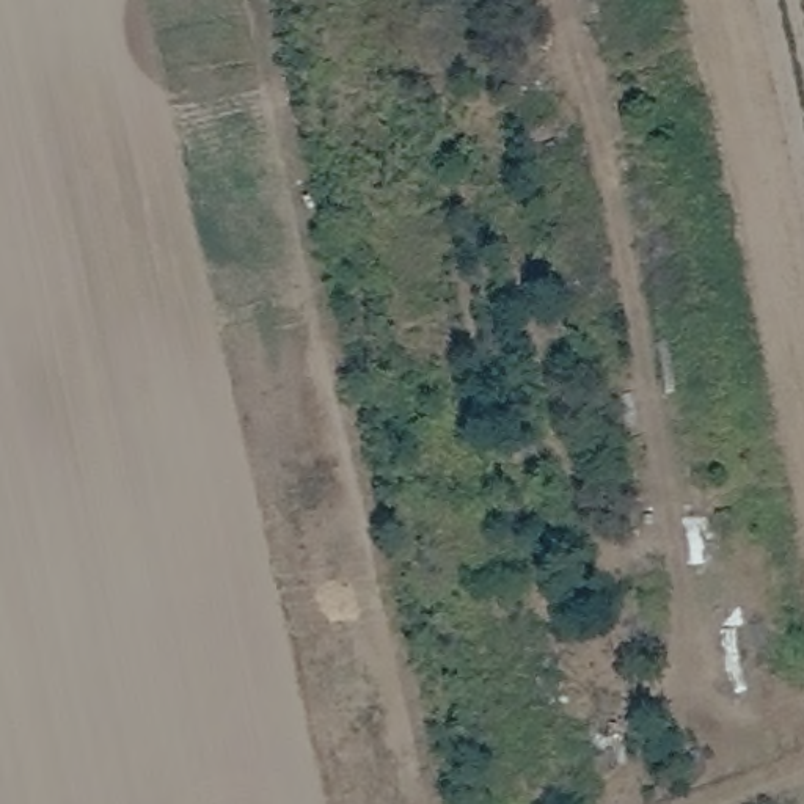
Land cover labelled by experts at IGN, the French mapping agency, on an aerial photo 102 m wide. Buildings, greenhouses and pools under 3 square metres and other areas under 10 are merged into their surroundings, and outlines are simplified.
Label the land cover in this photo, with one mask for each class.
<instances>
[{"label":"agricultural land","instance_id":"1","mask_svg":"<svg viewBox=\"0 0 804 804\"><path fill-rule=\"evenodd\" d=\"M276 38L270 0H0V804H443L437 791V776L443 763L427 744V719L418 675L405 663V638L393 628V609L383 603L380 575H386V559L377 553L371 540V468L361 462L358 452L361 437L355 411L345 408L336 396V367L342 364V352L336 349V317L330 311V295L320 283V267L308 254V220L314 214V198L302 188L308 173L298 151L295 116L289 107L283 69L273 63ZM688 19L691 60L710 97L716 122L722 188L735 207V239L744 254V283L757 317L763 367L776 411V443L785 452V468L795 493L798 553L804 556V122L776 0H682Z\"/></svg>","mask_w":804,"mask_h":804},{"label":"brushwood","instance_id":"2","mask_svg":"<svg viewBox=\"0 0 804 804\"><path fill-rule=\"evenodd\" d=\"M276 38L273 63L283 69L289 107L295 116L298 151L308 173L302 188L314 198V214L308 220V254L320 267V283L330 295V311L336 317V349L342 352L349 342H399L415 358H427L430 352H446L452 330H465L471 336L477 330L471 305L487 302L490 267L477 264L474 270L462 273L459 264H443V254L452 248L443 220V201L449 195H459L477 214H484L493 232L506 242V267L512 283L524 276L537 283L550 270H559L565 276V283L572 286L575 308L572 317L562 323V339L550 342L546 352L562 355L565 349H572L584 358L600 355L609 380L628 367L631 345L625 308L619 302V283L612 276V245L603 220V195L594 179L590 154L584 148V126H572L565 138L534 141L537 182L546 192L534 204L521 207L506 192L499 173L503 154L496 148H471L468 154L462 151V141H481L477 135L459 129L468 101L487 94V60L465 41V9L459 6V0H270ZM600 13L584 28L590 31L597 53L606 63L609 82H619V88L625 91L619 97V151L628 166L622 182L628 217L634 223L631 248L641 264V292L647 302L650 336L663 339L672 355L675 393L663 405L675 446V465L710 487L707 493L716 503L713 515L707 518L710 534L751 531L754 543L763 546L766 559L779 568L782 612L779 622L766 625V669L782 675L785 685L804 691V556L798 553L795 493L785 468V452L776 443V411L763 367L757 317L744 283V254L735 239V207L722 188L716 122L710 97L691 60L688 19L682 0H594ZM804 122V0H776ZM565 97V91H559L556 85L553 69H546L543 41L528 47V60L521 63L515 82L490 97L496 113L503 116L518 113V119L531 132L559 110ZM459 405L443 402V411L437 418L421 421L415 430V465L421 474H427V484H415L396 493L393 509L402 518V546L393 550L386 559V575H380L383 603L393 609V628L405 638V663L418 675L427 719H443L449 700H455V716L481 722L477 741L493 747V760L487 769L493 776V795L499 804H597L603 798V779L594 769L600 747L590 741L587 722L568 716L559 704L562 672L543 663L546 641L553 634L546 597L537 590V568L524 575L515 572L499 600H474L468 587L459 581V565H484L487 559H524L534 553V543L521 534H484L481 521L490 509L528 512L540 503L537 493L543 481L537 474H524V459L546 449L543 437L537 433L512 452H474L468 443L455 440ZM496 465H503V471L518 484L521 493L515 499H509L503 484H496L493 490L481 487V474H490ZM625 590L619 612L634 616L644 634L660 638L669 631V572L644 568L616 578Z\"/></svg>","mask_w":804,"mask_h":804},{"label":"deciduous trees","instance_id":"3","mask_svg":"<svg viewBox=\"0 0 804 804\"><path fill-rule=\"evenodd\" d=\"M459 6L465 9V41L487 60V94L490 97L515 82L521 63L528 60V47L543 41L550 31V9L540 0H459ZM503 154L499 173L506 192L521 207L534 204L546 192L537 182L534 141L531 132L518 119V113L503 116ZM443 220L452 248L443 254V264H459L462 273L474 270L477 264L490 267L487 302L471 305L477 330L471 336L465 330H452L446 352H430L427 358H415L399 342H349L342 352V364L336 367V396L345 408L355 411L361 437L358 452L361 462L371 468V540L377 553L386 559L393 550L402 546V518L393 509L396 493L415 484H427V474H421L415 465V430L421 421L437 418L443 411V402L459 405L455 440L468 443L474 452H512L537 433L543 437L556 430V437L565 443L572 455V474H559L556 455L546 449L524 459V474H537L543 481L537 493L540 503L528 512L490 509L481 521L484 534H521L534 543V553L524 559H487L484 565H459V581L468 587L474 600H499L515 572L524 575L537 568V590L546 597L553 634L559 641L600 638L616 625L619 612L625 590L616 578L597 568V550L606 540L625 543L638 524H644L647 509L638 499V487L628 465L631 430L625 424V402L609 380L600 355L584 358L572 349H565L562 355L546 352L543 364L531 358L534 342L528 336V320L562 323L572 317L575 308L572 286L565 283V276L559 270H550L537 283L524 276L512 283L506 267V242L493 232L484 214H477L459 195H449L443 201ZM496 484H503L509 499H515L521 493L518 484L503 471V465H496L490 474H481V487L493 490ZM628 691H650L653 678L663 675L666 644L660 638L644 634L622 641L612 660ZM455 700H449L443 719H427V744L443 763L437 776V791L443 804H499L493 795V776L487 769L493 760V747L477 741L481 722L455 716ZM625 751L631 760H641L650 773L641 785L644 801L656 788H669L675 798L688 795L694 773L713 757V747L697 744L694 732L678 729L675 716L663 704L641 707L631 716L625 713Z\"/></svg>","mask_w":804,"mask_h":804},{"label":"herbaceous vegetation","instance_id":"4","mask_svg":"<svg viewBox=\"0 0 804 804\"><path fill-rule=\"evenodd\" d=\"M550 9V31L543 41L546 69H553L556 85L559 91H565V97L559 110L531 132L534 141L565 138L572 126H584V148L590 154L594 179L603 195V220L612 245V276L619 283V302L625 308L631 345L628 367L609 380L625 402V424L631 430L628 465L638 487V499L647 509L644 524H638L625 543L606 540L597 550V568L616 578L644 568L669 572V631L660 638L666 644L663 675L653 678L650 691H628L612 660L622 641L644 634L634 616L619 612L616 625L600 638L559 641L553 634L546 641L543 663L562 672L559 704L568 716L587 722L590 741L600 747L594 769L603 779V798L597 804H804V691L785 685L782 675L766 669V625L779 622L782 612L779 568L766 559L763 546L754 543L751 531L710 534L707 518L713 515L716 503L707 493L710 487L675 465V446L663 405L675 393L672 355L663 339L650 336L647 302L641 292V264L631 248L634 223L628 217L622 182L628 166L619 151V97L625 91L619 88V82H609L606 63L597 53L590 31L584 28L600 13L594 0H540ZM663 704L675 716L678 729L694 732L697 744L713 747V757L694 773L688 795L675 798L669 788H656L644 801L641 785L650 773L641 760H631L625 751V713L631 716L641 707ZM459 129L477 135L481 141H462V151L468 154L471 148H496L503 154V116L496 113L490 97L487 94L468 101ZM562 323L528 320V336L534 342L531 358L543 364L546 352L550 342L562 339ZM546 449L556 455L559 474H572V455L565 443L556 437V430L543 437Z\"/></svg>","mask_w":804,"mask_h":804}]
</instances>
